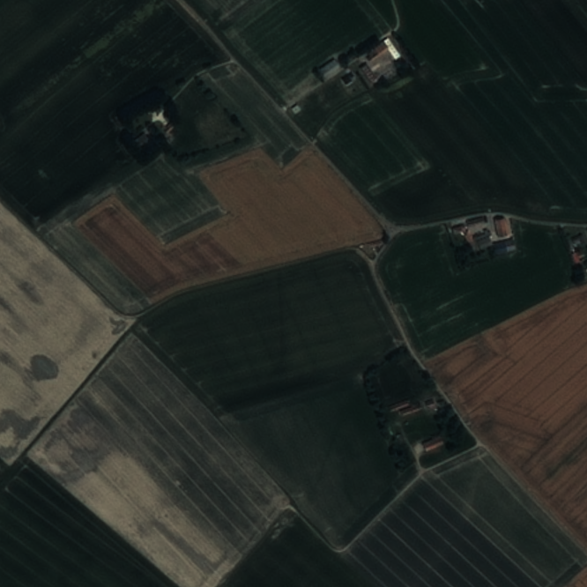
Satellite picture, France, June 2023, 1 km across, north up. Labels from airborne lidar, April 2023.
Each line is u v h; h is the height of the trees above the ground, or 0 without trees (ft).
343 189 0
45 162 0
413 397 0
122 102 0
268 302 0
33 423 0
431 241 0
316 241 0
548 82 0
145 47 0
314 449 0
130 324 0
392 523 0
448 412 59
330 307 0
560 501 0
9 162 0
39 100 0
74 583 0
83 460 0
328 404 0
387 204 0
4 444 0
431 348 0
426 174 0
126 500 0
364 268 0
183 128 0
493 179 0
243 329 0
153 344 0
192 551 0
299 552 0
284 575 0
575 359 0
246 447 0
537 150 0
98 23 0
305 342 0
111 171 0
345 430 0
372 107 0
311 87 0
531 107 0
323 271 0
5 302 0
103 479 0
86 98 0
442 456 0
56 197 0
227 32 0
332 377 0
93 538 0
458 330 0
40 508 0
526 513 0
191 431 0
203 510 0
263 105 0
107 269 0
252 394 0
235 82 0
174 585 0
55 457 0
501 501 0
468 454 0
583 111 0
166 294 0
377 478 0
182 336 0
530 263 0
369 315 0
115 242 0
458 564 0
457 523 0
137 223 0
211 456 0
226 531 0
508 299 0
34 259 0
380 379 0
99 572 0
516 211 0
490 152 0
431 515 0
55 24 0
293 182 0
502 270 0
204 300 0
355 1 0
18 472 0
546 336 0
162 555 0
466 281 0
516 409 0
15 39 0
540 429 0
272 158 0
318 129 0
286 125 0
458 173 0
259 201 0
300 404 0
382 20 0
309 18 0
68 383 0
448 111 0
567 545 0
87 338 0
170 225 0
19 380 0
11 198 0
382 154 0
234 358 0
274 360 0
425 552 0
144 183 0
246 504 0
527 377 0
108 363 0
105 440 0
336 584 0
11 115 0
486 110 0
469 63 0
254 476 0
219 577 0
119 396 0
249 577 0
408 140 0
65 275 0
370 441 0
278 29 0
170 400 0
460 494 0
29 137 0
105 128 0
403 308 0
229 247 0
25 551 0
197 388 0
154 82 0
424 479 0
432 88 0
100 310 0
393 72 0
